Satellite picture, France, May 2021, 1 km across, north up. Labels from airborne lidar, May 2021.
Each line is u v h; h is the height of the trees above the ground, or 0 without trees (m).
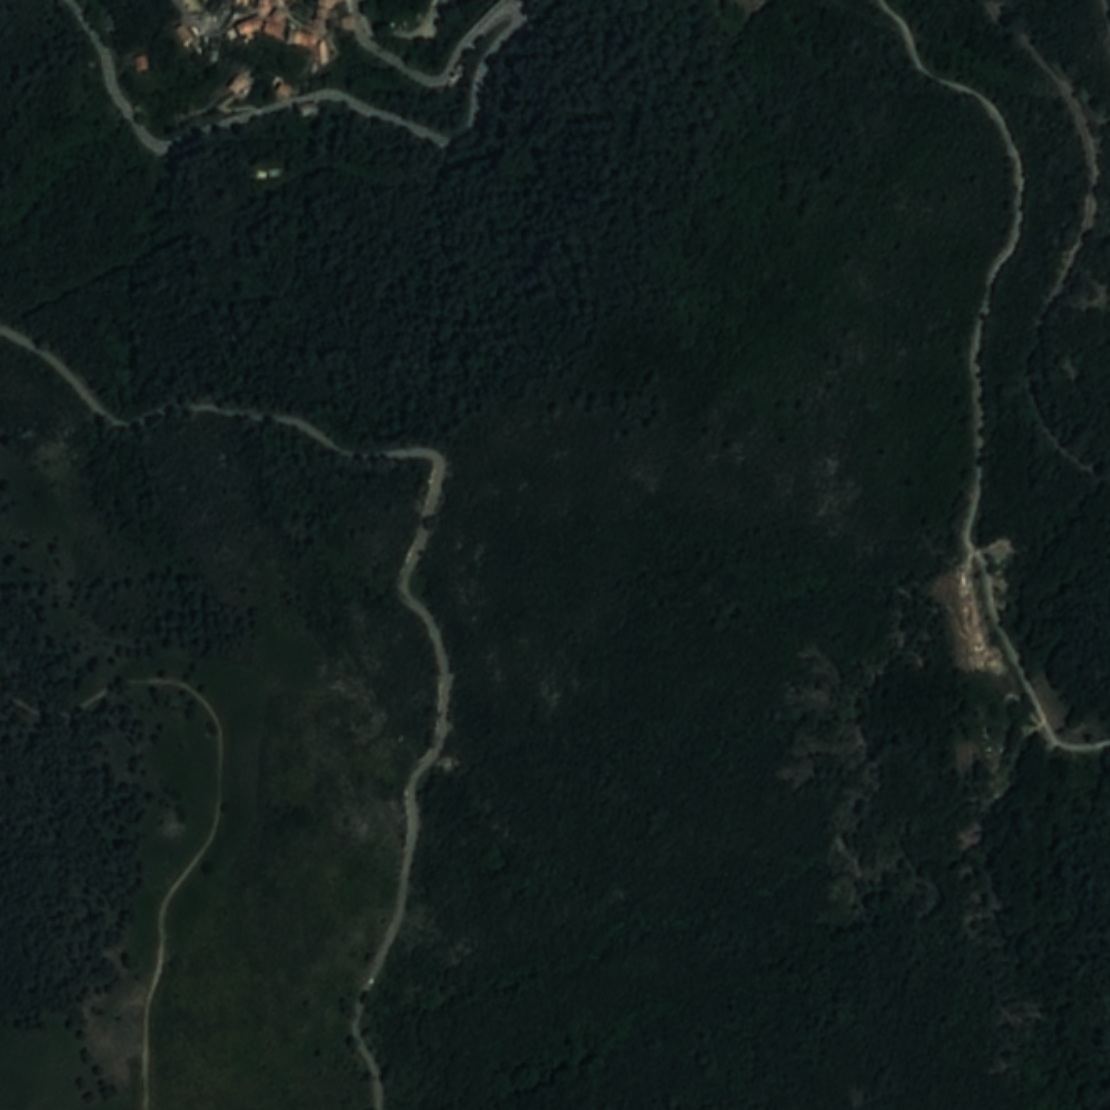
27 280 12
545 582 6
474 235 24
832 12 13
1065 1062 11
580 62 20
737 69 14
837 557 14
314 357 24
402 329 16
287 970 0
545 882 12
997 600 0
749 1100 16
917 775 9
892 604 15
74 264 14
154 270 16
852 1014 14
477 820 13
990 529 17
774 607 15
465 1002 17
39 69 21
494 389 13
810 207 24
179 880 0
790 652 14
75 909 21
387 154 18
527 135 16
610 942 10
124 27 15
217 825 0
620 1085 16
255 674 0
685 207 14
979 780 16
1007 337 8
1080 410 14
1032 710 9
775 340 11
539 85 14
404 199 18
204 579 8
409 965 6
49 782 20
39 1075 0
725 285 15
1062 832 13
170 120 8
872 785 8
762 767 13
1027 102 8
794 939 20
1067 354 10
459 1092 10
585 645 6
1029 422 14
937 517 11
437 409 10
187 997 0
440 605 6
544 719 9
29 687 17
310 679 0
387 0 14
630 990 10
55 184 9
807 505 6
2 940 18
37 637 16
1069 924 14
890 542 11
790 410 19
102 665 13
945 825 15
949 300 6
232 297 10
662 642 18
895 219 6
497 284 14
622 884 11
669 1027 15
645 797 13
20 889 18
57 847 17
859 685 10
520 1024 11
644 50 14
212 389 7
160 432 6
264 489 13
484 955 9
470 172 25
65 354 11
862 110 11
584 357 14
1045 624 27
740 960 13
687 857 12
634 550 6
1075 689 24
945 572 17
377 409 14
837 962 17
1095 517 25
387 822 0
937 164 9
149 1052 0
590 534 8
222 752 0
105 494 14
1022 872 15
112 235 15
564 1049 17
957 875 12
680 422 6
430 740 15
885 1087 19
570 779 17
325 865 0
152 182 15
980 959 11
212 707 0
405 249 22
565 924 7
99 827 15
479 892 12
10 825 16
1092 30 7
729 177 19
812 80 6
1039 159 8
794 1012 16
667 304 20
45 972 19
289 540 9
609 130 16
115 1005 0
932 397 13
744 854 9
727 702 12
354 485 11
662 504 8
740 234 14
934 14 8
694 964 14
